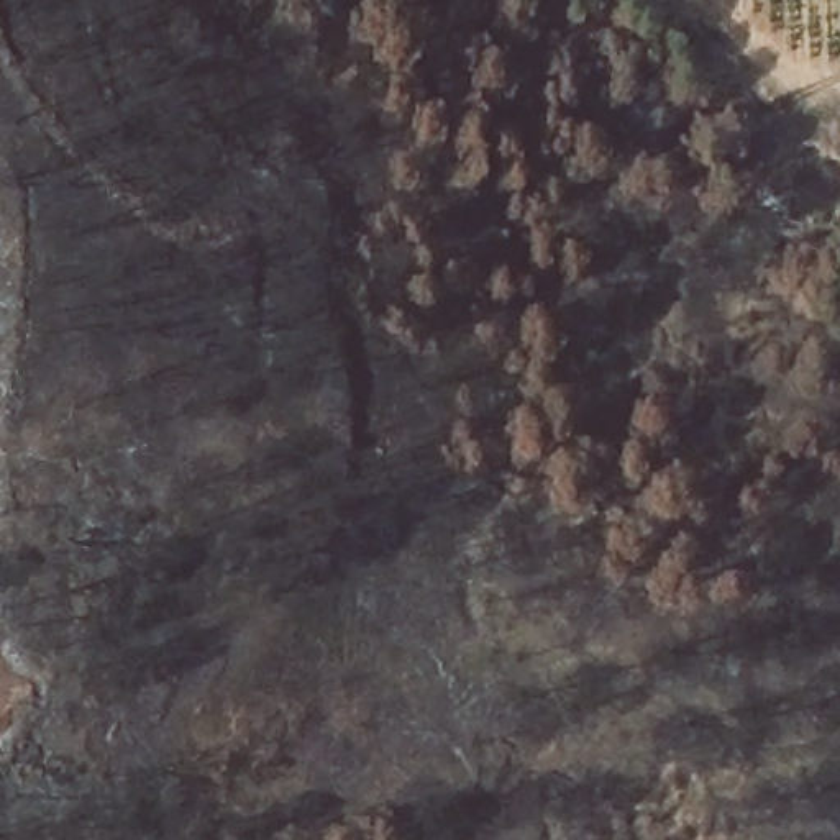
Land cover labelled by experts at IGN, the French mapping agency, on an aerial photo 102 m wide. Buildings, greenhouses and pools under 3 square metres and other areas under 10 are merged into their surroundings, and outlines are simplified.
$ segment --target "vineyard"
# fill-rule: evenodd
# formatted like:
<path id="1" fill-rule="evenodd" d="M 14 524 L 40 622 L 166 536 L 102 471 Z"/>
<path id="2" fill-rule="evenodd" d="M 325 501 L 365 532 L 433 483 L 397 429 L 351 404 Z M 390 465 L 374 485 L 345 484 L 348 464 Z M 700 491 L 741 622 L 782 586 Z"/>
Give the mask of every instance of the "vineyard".
<path id="1" fill-rule="evenodd" d="M 745 46 L 745 53 L 768 72 L 758 79 L 758 95 L 765 102 L 794 92 L 810 108 L 840 95 L 840 0 L 699 0 L 705 13 L 722 30 L 728 30 Z"/>

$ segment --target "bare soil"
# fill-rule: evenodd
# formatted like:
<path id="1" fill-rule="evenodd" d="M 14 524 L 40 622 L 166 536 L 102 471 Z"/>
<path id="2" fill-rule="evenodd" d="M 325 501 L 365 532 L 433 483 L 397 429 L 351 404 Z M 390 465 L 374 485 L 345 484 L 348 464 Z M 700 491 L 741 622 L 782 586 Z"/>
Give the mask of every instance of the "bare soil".
<path id="1" fill-rule="evenodd" d="M 679 643 L 679 653 L 663 640 L 646 640 L 640 620 L 623 620 L 620 627 L 604 623 L 591 600 L 591 571 L 604 561 L 607 509 L 591 509 L 578 502 L 571 512 L 555 512 L 548 505 L 548 489 L 528 502 L 525 489 L 512 492 L 505 486 L 505 495 L 482 512 L 482 518 L 463 502 L 450 509 L 450 495 L 440 476 L 446 417 L 430 407 L 423 390 L 404 384 L 387 368 L 377 368 L 371 358 L 361 354 L 341 308 L 341 295 L 351 276 L 348 266 L 361 256 L 361 243 L 374 226 L 387 174 L 351 138 L 335 138 L 308 125 L 302 115 L 289 115 L 276 105 L 276 79 L 285 62 L 272 59 L 272 53 L 263 49 L 259 39 L 249 39 L 236 23 L 236 13 L 220 0 L 0 0 L 0 840 L 840 840 L 840 410 L 830 413 L 827 430 L 814 433 L 814 459 L 781 453 L 781 469 L 778 476 L 771 476 L 761 466 L 771 446 L 745 440 L 745 433 L 751 430 L 748 410 L 765 404 L 765 384 L 751 377 L 748 345 L 742 338 L 725 338 L 722 345 L 712 345 L 702 354 L 705 364 L 656 364 L 663 390 L 656 394 L 656 410 L 663 423 L 676 423 L 679 433 L 689 440 L 689 459 L 683 466 L 689 469 L 689 492 L 692 499 L 702 499 L 705 518 L 712 522 L 712 541 L 702 551 L 702 564 L 712 581 L 735 571 L 745 610 L 738 617 L 722 620 L 715 633 L 689 633 Z"/>

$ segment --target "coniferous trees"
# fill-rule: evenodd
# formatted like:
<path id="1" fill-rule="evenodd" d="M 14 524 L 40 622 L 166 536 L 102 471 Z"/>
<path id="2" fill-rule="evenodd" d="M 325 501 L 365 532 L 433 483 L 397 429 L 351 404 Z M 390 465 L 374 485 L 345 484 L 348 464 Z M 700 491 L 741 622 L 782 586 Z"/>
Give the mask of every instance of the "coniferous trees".
<path id="1" fill-rule="evenodd" d="M 705 518 L 702 499 L 692 499 L 689 492 L 689 469 L 683 466 L 689 459 L 689 440 L 679 433 L 676 423 L 663 423 L 656 410 L 656 394 L 663 390 L 656 364 L 705 364 L 702 354 L 712 345 L 722 345 L 725 338 L 742 338 L 748 345 L 751 377 L 765 384 L 765 404 L 748 410 L 751 430 L 745 433 L 745 440 L 771 446 L 761 466 L 771 476 L 778 476 L 781 469 L 781 453 L 814 459 L 814 433 L 827 430 L 830 413 L 840 410 L 840 164 L 814 151 L 817 115 L 810 108 L 794 92 L 765 102 L 758 95 L 758 79 L 768 72 L 745 53 L 745 46 L 728 30 L 722 30 L 705 13 L 699 0 L 220 0 L 236 13 L 236 23 L 249 39 L 259 39 L 263 49 L 272 53 L 272 59 L 285 62 L 276 79 L 276 105 L 289 115 L 302 115 L 308 125 L 335 138 L 351 138 L 387 174 L 374 226 L 361 243 L 361 256 L 348 266 L 351 276 L 341 295 L 341 308 L 361 354 L 371 358 L 377 368 L 387 368 L 404 384 L 423 390 L 430 407 L 446 417 L 440 476 L 450 495 L 450 509 L 463 502 L 482 518 L 482 512 L 505 495 L 505 486 L 512 492 L 525 489 L 528 502 L 548 489 L 548 505 L 555 512 L 571 512 L 578 502 L 591 509 L 607 509 L 604 561 L 591 571 L 591 600 L 604 623 L 620 627 L 623 620 L 640 620 L 646 640 L 663 640 L 679 653 L 679 643 L 689 633 L 715 633 L 722 620 L 738 617 L 745 610 L 735 571 L 712 581 L 702 564 L 702 551 L 712 541 L 712 522 Z"/>

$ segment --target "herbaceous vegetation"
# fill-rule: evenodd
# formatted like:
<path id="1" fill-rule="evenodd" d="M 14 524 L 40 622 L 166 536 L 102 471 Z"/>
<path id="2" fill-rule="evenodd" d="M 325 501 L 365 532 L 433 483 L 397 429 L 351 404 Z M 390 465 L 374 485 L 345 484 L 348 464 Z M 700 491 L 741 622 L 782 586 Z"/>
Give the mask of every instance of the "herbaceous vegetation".
<path id="1" fill-rule="evenodd" d="M 810 108 L 817 115 L 814 151 L 840 164 L 840 95 Z"/>

